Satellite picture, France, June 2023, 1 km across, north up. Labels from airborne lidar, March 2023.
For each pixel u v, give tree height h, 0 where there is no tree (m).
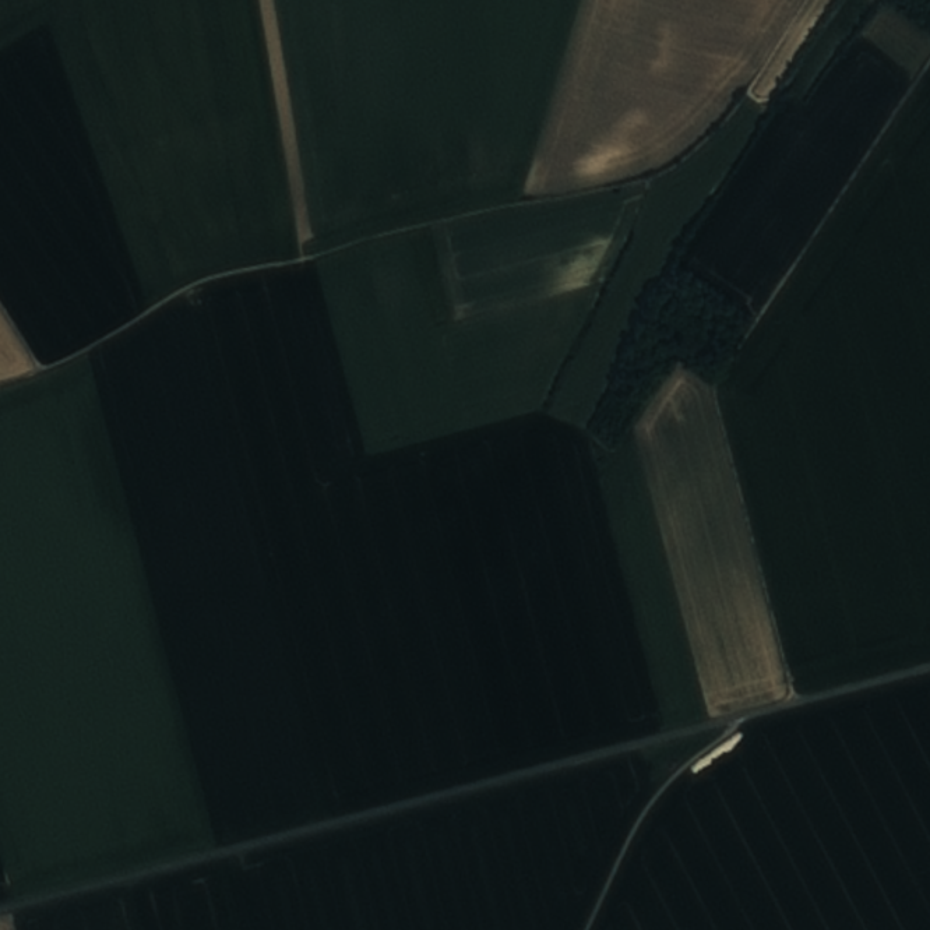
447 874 0
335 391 0
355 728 0
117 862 0
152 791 0
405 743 0
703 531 0
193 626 0
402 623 0
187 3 0
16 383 0
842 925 0
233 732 0
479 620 0
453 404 0
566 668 0
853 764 0
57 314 0
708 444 0
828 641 0
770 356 0
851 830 0
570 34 0
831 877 0
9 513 0
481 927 0
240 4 0
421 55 0
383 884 0
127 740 0
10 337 0
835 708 0
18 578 0
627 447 0
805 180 0
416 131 0
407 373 0
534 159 0
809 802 0
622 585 0
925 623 0
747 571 0
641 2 0
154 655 0
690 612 0
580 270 0
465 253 0
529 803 0
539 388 0
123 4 0
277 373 0
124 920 0
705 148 0
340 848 0
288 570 0
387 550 0
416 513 0
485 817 0
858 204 0
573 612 0
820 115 0
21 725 0
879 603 0
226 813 0
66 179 0
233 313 0
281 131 0
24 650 0
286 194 0
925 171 0
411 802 0
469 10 0
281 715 0
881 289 0
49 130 0
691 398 0
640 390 15
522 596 0
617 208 0
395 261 0
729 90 0
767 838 0
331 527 0
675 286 15
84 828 0
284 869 0
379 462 0
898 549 0
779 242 0
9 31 0
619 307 0
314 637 0
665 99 0
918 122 0
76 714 0
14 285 0
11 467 0
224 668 0
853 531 0
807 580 0
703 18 0
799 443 0
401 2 0
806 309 0
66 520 0
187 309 0
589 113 0
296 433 0
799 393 0
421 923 0
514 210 0
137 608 0
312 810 0
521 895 0
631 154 0
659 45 0
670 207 0
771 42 0
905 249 0
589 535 0
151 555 0
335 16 0
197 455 0
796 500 0
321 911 0
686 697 0
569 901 0
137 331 0
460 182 0
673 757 0
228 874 0
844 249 0
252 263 0
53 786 0
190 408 0
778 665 0
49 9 0
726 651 0
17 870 0
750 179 0
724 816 0
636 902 0
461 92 0
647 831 0
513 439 0
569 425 0
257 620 0
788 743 0
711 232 0
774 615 0
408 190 0
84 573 0
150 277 0
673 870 0
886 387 0
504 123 0
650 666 0
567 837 0
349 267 0
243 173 0
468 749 0
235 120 0
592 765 0
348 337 0
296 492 0
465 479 0
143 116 0
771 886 0
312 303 0
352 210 0
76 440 0
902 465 0
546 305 0
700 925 0
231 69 0
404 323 0
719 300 20
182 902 0
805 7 0
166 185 0
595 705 0
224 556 0
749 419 0
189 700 0
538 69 0
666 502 0
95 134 0
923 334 0
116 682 0
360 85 0
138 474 0
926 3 15
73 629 0
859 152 0
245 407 0
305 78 0
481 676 0
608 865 0
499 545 0
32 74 0
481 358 0
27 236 0
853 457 0
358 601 0
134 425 0
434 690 0
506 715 0
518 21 0
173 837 0
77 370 0
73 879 0
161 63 0
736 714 0
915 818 0
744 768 0
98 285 0
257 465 0
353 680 0
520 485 0
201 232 0
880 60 0
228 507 0
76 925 0
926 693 0
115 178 0
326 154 0
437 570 0
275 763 0
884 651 0
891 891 0
